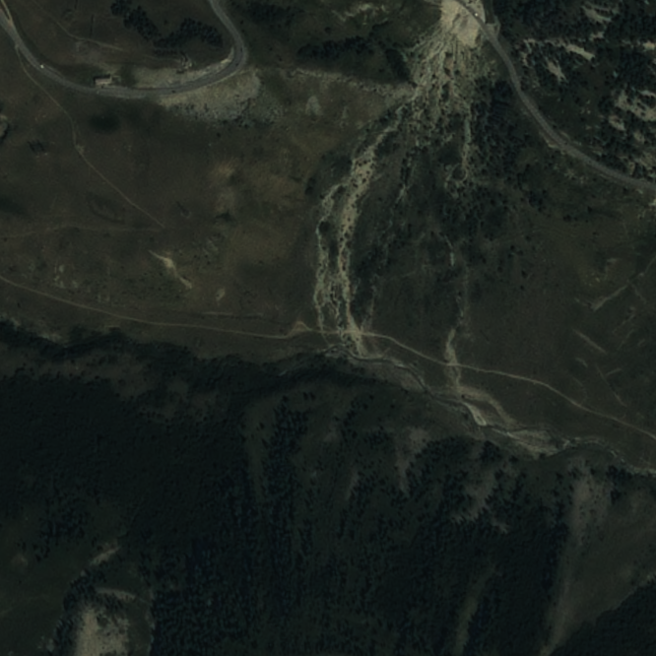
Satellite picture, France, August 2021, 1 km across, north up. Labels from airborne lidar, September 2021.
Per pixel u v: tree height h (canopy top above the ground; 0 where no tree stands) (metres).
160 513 8
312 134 0
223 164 0
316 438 0
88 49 0
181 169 0
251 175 0
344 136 0
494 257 0
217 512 7
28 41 0
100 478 8
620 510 0
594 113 0
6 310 0
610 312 0
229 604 10
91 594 8
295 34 0
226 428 6
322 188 0
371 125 0
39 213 0
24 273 0
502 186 0
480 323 0
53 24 0
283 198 0
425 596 7
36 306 0
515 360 0
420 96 0
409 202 0
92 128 0
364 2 0
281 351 0
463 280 0
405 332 0
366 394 0
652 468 0
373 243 0
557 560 14
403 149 0
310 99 0
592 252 0
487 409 0
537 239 0
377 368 0
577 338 0
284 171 0
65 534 12
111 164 0
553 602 12
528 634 6
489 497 0
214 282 0
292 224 0
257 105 0
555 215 0
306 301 0
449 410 0
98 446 6
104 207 0
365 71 0
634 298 0
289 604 9
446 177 0
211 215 0
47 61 0
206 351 0
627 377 0
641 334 0
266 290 0
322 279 0
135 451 7
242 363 7
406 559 6
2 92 0
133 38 0
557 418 0
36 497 6
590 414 0
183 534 6
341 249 0
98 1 0
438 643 6
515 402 0
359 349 0
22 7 0
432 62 0
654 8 0
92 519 11
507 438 0
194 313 0
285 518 11
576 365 0
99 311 0
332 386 0
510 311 0
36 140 0
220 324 0
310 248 0
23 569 0
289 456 15
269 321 0
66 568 0
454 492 14
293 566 9
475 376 0
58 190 0
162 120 0
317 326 0
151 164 0
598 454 0
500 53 0
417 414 0
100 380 6
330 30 9
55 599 0
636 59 12
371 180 0
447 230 0
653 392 0
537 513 6
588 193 0
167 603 12
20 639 0
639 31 9
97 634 0
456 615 7
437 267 0
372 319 0
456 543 7
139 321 0
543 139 0
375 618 9
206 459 6
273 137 0
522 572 7
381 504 0
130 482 5
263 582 7
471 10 0
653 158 0
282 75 0
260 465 0
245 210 0
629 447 0
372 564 7
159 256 0
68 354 6
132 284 0
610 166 6
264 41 0
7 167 0
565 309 0
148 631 0
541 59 7
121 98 0
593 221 0
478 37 0
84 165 0
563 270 0
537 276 0
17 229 0
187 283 0
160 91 0
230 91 0
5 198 0
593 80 0
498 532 7
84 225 0
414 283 0
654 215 0
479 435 0
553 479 0
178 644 13
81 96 0
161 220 0
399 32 0
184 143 0
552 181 0
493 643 7
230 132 0
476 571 6
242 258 0
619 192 0
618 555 0
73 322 0
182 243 0
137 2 0
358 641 7
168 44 5
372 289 0
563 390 0
